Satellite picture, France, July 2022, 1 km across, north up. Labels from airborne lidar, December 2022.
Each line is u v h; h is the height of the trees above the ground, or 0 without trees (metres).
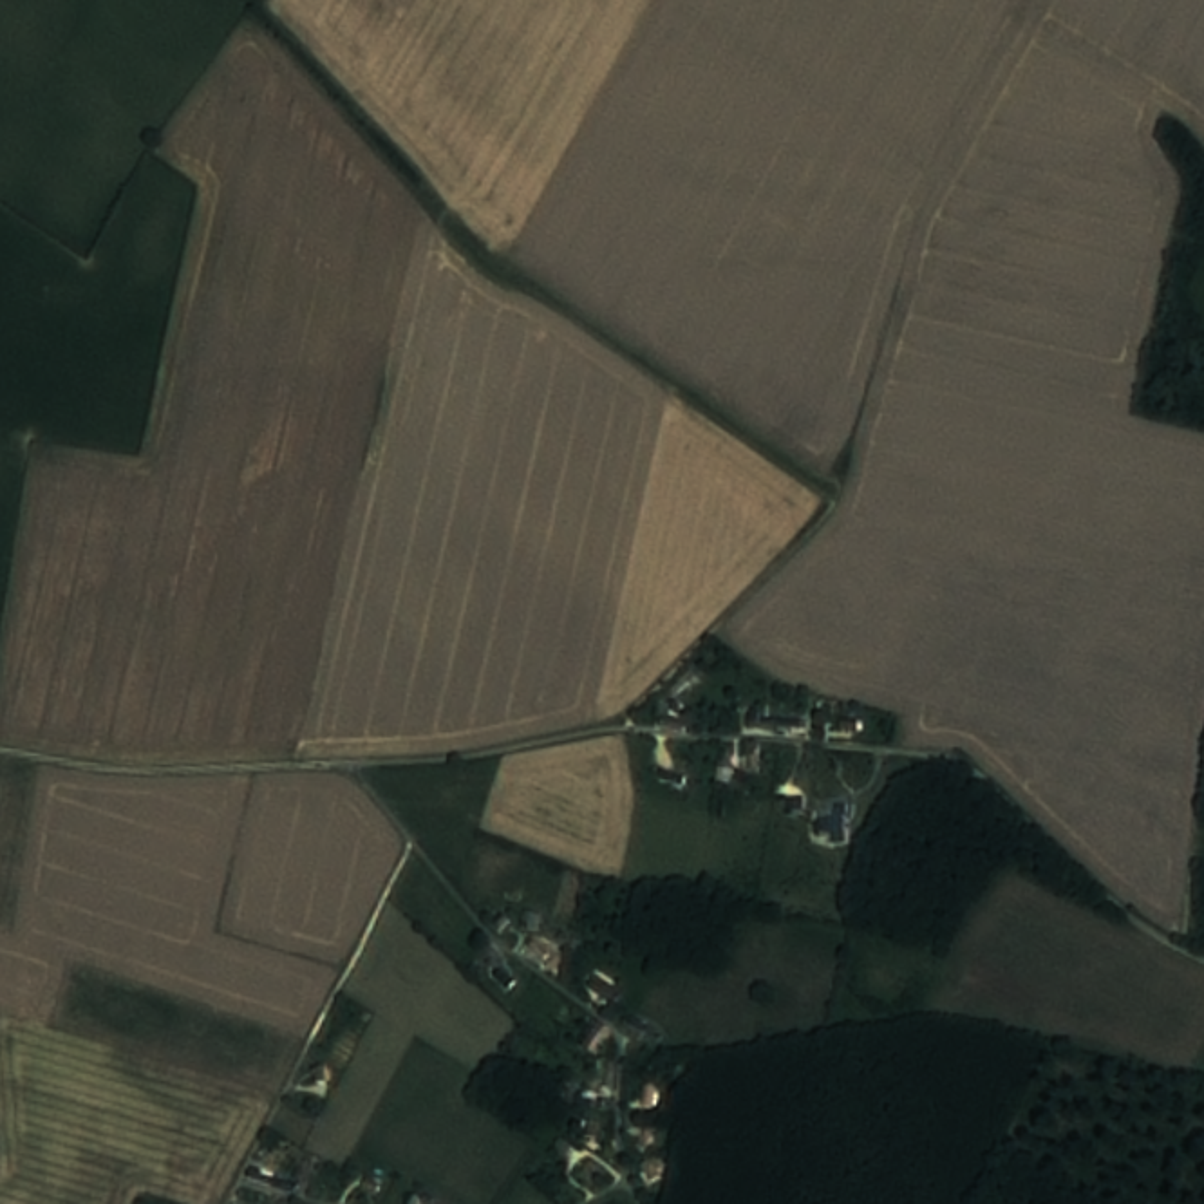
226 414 0
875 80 0
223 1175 0
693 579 0
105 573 0
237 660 0
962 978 0
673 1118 14
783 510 0
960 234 0
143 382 0
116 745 0
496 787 0
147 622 0
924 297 0
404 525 0
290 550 0
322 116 0
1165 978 0
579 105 0
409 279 0
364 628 0
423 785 0
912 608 0
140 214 0
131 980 0
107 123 0
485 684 0
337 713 0
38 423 0
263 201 0
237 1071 0
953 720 0
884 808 14
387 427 0
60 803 0
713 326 0
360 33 0
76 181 0
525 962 0
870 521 0
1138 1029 0
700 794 0
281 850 0
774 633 0
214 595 0
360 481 0
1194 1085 28
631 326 0
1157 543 0
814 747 6
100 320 0
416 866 0
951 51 0
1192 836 0
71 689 0
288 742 0
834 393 0
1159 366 8
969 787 15
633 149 0
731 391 0
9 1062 0
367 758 0
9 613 0
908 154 0
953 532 0
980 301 0
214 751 0
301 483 0
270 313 0
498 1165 0
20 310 0
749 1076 15
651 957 13
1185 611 0
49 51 0
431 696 0
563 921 0
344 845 0
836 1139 20
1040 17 0
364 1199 7
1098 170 0
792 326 0
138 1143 0
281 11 0
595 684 0
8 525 0
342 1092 0
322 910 0
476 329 0
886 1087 16
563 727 0
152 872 0
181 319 0
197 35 0
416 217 0
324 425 0
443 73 0
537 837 0
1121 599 0
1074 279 0
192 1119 0
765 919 14
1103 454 0
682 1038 0
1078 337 0
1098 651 0
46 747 0
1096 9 0
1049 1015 0
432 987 0
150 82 0
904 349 0
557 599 0
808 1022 0
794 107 0
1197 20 0
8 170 0
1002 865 22
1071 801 0
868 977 0
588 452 0
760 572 0
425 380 0
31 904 0
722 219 0
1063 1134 30
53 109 0
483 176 0
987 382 0
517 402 0
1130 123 0
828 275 0
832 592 0
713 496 0
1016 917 0
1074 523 0
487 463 0
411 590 0
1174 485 0
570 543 0
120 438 0
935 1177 15
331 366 0
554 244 0
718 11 0
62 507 0
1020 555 0
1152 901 0
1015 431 0
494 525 0
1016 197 0
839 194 0
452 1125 0
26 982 0
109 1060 0
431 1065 0
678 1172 15
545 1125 18
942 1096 14
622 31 0
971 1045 14
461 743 0
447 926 0
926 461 0
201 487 0
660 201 0
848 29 0
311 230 0
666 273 0
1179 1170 27
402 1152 0
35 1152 0
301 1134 0
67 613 0
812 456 0
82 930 0
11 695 0
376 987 0
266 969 0
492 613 0
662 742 0
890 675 0
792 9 0
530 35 0
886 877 24
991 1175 17
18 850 0
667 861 0
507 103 0
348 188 0
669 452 0
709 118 0
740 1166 16
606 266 0
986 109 0
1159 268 0
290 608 0
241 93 0
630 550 0
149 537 0
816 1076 17
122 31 0
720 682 0
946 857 23
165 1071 0
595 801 0
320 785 0
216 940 0
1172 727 0
